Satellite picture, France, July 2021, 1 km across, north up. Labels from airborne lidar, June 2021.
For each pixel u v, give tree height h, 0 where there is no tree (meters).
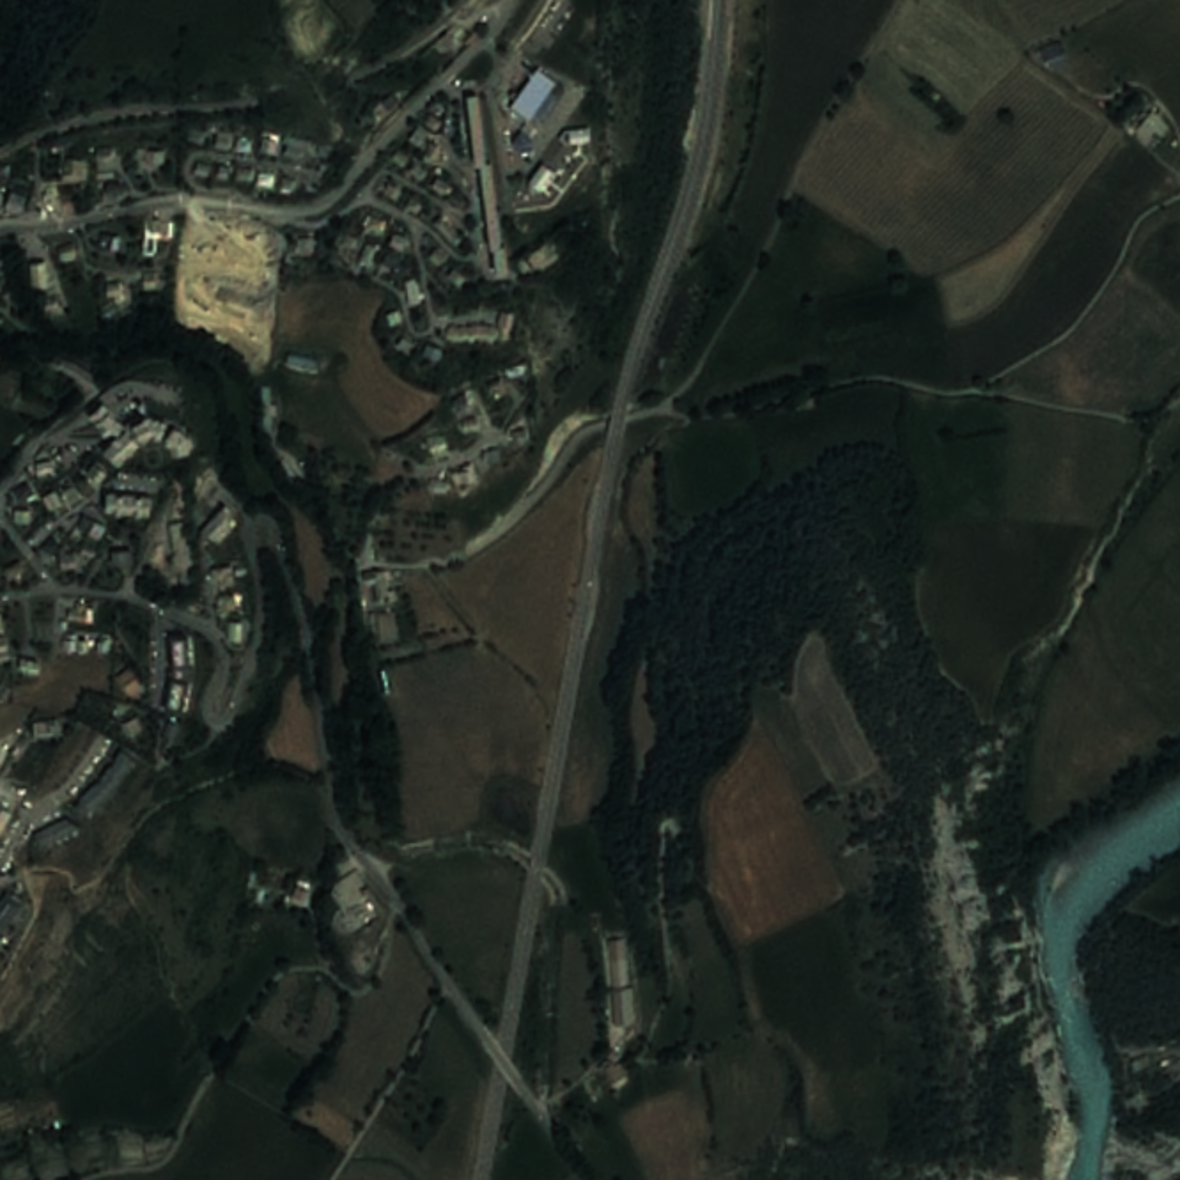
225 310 0
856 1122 0
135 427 0
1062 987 0
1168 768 20
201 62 0
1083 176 0
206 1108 0
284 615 6
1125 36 0
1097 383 0
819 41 0
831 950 0
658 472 10
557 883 0
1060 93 0
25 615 0
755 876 0
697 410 8
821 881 0
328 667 18
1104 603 0
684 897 8
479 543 0
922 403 0
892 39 0
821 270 0
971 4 0
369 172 9
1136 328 0
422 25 8
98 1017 0
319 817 0
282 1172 0
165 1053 0
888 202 0
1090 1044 0
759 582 13
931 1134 9
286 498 16
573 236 6
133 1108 0
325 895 13
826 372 14
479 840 0
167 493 9
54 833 0
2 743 0
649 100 7
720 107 0
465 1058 0
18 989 0
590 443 0
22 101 8
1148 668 0
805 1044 0
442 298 8
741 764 0
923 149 0
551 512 0
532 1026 0
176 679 0
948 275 0
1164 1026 6
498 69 0
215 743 7
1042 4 0
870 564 9
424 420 8
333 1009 0
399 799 14
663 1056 7
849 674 7
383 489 13
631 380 0
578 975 0
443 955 10
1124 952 7
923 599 0
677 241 0
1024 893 7
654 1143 0
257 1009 9
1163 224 0
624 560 0
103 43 0
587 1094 0
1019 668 7
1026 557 0
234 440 15
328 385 0
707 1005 0
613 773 7
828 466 13
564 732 0
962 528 0
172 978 0
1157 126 0
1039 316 0
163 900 0
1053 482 0
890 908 8
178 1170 0
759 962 0
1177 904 0
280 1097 0
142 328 20
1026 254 0
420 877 0
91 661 0
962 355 0
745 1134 0
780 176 0
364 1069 0
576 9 0
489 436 0
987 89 0
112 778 0
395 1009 0
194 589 11
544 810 0
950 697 11
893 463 9
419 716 0
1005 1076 6
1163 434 0
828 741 0
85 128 6
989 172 0
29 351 18
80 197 7
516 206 0
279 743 0
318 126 0
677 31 11
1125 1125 7
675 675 15
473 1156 0
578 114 0
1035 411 0
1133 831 0
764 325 0
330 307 0
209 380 13
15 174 5
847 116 0
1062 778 0
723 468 0
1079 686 0
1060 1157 0
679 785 12
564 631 0
